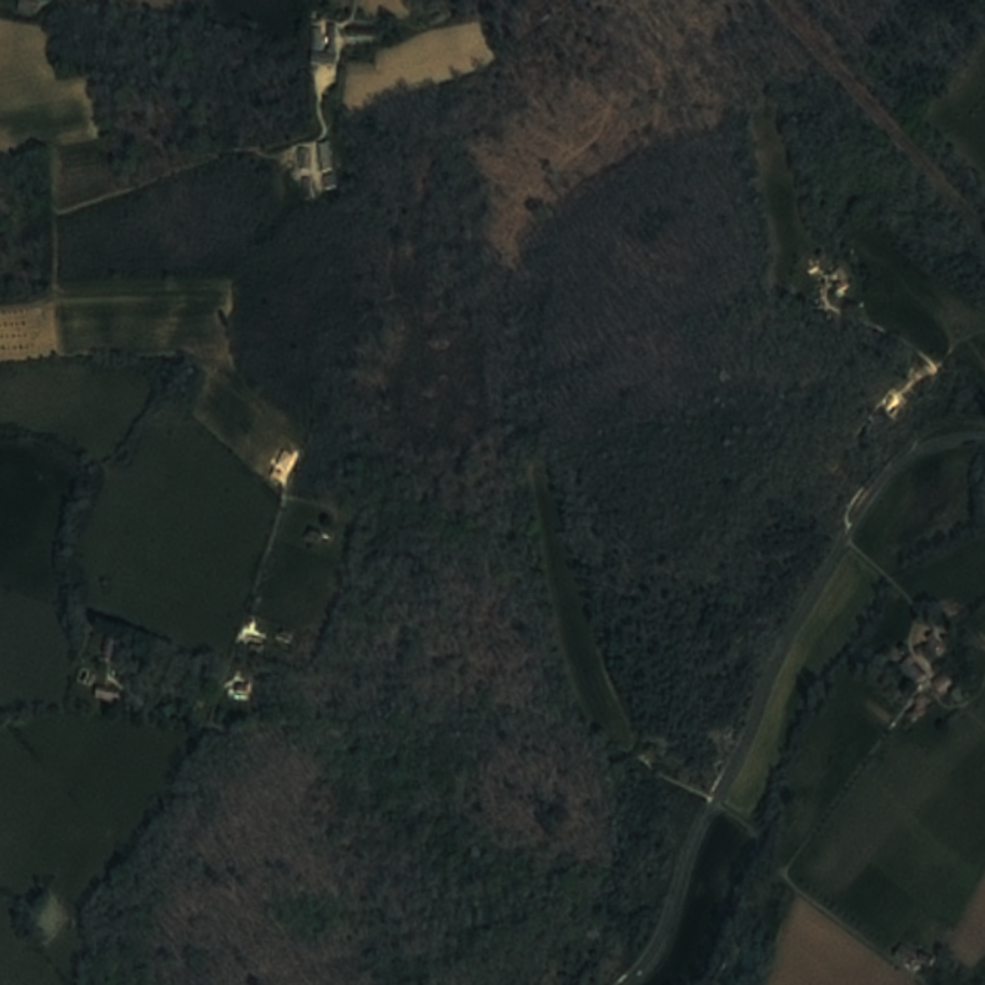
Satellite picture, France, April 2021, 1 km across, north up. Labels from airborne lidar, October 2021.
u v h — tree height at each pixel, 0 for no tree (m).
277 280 6
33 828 0
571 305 24
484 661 13
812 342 26
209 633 0
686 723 9
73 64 16
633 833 15
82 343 0
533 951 22
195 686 21
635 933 16
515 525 21
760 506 22
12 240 24
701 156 17
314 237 19
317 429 10
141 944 22
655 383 16
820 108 16
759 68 21
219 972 19
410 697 18
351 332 7
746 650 7
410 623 18
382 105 15
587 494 8
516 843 19
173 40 19
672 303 17
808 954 0
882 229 12
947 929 0
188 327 0
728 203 18
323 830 18
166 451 0
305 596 0
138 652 20
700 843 0
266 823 15
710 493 14
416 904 27
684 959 0
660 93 18
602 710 0
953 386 19
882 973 0
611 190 21
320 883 16
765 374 25
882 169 19
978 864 0
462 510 6
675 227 19
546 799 19
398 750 22
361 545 18
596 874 18
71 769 0
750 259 24
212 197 8
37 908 14
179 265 8
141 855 20
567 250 21
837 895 0
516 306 14
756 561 13
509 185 0
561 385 23
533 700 18
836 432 25
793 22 0
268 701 19
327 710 14
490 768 17
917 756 0
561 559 0
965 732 0
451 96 8
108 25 23
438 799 21
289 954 17
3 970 0
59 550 6
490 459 18
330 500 22
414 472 6
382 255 9
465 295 20
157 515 0
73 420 0
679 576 11
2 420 0
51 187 16
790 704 0
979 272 18
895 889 0
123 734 0
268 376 9
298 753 22
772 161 0
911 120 21
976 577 0
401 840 12
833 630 0
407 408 18
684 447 11
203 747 21
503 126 22
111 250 10
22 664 0
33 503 0
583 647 0
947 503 0
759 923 28
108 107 9
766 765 0
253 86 13
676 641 6
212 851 18
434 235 16
